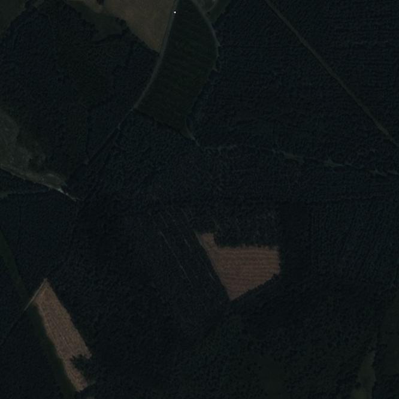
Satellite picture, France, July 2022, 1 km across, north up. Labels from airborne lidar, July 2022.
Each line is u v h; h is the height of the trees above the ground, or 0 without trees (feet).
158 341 44
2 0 0
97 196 106
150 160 78
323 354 21
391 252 69
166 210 59
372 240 74
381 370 18
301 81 61
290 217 83
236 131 60
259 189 75
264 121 44
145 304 73
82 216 75
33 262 66
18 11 0
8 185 59
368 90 72
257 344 31
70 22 32
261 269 0
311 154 70
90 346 64
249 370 53
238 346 33
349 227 66
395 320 0
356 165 74
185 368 39
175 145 90
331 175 70
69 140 29
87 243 34
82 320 69
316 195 76
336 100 64
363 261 65
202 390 28
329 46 63
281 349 27
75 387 0
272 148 33
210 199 80
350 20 65
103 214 50
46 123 54
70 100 73
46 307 0
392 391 48
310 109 72
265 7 76
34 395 53
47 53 59
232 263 0
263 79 54
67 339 0
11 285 73
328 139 43
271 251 0
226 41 64
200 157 81
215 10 0
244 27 60
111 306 48
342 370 30
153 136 82
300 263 53
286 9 60
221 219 67
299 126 59
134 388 34
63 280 68
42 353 57
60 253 51
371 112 84
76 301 65
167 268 70
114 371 61
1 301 59
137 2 0
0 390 52
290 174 55
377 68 68
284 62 59
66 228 83
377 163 67
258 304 57
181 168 95
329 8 53
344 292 62
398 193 70
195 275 71
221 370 47
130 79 67
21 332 56
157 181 96
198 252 70
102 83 22
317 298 60
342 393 53
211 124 66
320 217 79
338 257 63
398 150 77
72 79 21
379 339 41
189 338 55
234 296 0
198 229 83
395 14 58
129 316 56
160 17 0
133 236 89
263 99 59
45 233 67
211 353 27
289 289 55
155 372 53
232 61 56
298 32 57
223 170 80
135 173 114
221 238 71
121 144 87
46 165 31
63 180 0
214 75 82
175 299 61
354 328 28
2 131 0
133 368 54
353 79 49
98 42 32
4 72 69
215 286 74
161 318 61
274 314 85
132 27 0
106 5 0
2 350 56
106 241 82
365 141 63
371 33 62
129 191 85
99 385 60
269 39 60
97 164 49
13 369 49
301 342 30
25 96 55
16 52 58
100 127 73
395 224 61
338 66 60
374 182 84
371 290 58
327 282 51
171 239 73
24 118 29
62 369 0
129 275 44
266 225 60
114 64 27
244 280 0
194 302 62
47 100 57
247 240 69
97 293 67
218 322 47
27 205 77
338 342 25
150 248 51
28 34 67
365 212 60
